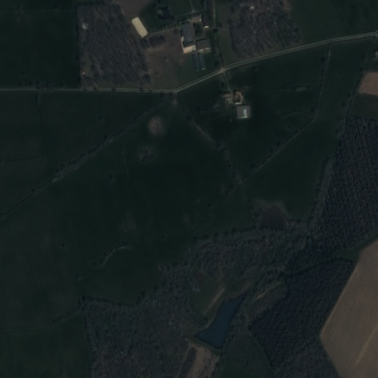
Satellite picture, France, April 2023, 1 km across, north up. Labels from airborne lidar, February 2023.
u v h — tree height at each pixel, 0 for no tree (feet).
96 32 80
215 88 0
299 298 51
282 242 52
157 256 0
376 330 0
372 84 0
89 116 0
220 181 0
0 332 0
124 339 36
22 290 0
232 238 46
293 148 0
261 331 55
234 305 0
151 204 0
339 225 50
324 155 0
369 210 51
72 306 0
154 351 63
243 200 0
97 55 79
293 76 0
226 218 0
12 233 0
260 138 0
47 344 0
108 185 0
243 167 0
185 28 0
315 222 54
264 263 23
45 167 0
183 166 0
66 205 0
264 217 0
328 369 59
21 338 0
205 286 0
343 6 0
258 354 36
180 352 34
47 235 0
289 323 47
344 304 0
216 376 41
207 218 0
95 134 0
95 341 68
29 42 0
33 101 0
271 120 0
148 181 0
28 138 0
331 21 0
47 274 0
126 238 0
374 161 46
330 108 0
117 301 0
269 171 0
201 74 0
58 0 0
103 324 25
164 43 51
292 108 0
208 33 0
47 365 0
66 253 0
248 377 0
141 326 65
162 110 0
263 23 55
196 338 0
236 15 67
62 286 0
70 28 0
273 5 77
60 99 0
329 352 0
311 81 0
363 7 0
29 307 0
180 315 34
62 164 0
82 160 20
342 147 44
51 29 0
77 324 0
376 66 0
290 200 0
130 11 0
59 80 0
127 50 79
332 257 49
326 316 44
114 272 0
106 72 76
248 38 69
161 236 0
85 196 0
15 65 0
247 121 0
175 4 0
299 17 0
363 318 0
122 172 0
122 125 0
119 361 39
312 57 0
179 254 0
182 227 0
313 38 0
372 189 46
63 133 0
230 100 0
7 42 0
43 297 0
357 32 0
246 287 0
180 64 0
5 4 0
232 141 0
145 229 0
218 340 0
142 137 0
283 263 43
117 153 0
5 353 0
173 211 0
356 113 0
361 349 0
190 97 0
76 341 0
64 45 0
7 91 0
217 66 41
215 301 0
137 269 0
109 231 0
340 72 0
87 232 0
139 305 48
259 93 0
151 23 0
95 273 0
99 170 0
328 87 0
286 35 70
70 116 0
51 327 0
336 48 0
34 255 0
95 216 0
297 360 67
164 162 0
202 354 0
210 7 63
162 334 31
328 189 47
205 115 0
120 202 0
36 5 0
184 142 0
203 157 0
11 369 0
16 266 0
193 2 0
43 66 0
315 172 0
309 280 52
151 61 0
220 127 0
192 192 0
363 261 0
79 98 0
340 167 46
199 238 0
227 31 0
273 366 46
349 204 46
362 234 45
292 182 0
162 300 29
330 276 52
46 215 0
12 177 0
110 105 0
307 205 0
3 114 0
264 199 0
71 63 0
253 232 54
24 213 0
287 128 0
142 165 0
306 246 40
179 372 26
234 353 43
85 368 0
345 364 0
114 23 73
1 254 0
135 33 0
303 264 45
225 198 0
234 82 0
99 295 0
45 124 0
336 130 0
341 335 0
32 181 0
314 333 45
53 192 0
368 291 0
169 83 0
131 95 0
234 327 43
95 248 0
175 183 0
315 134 0
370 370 0
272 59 0
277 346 54
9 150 0
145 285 0
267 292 33
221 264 34
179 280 31
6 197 0
